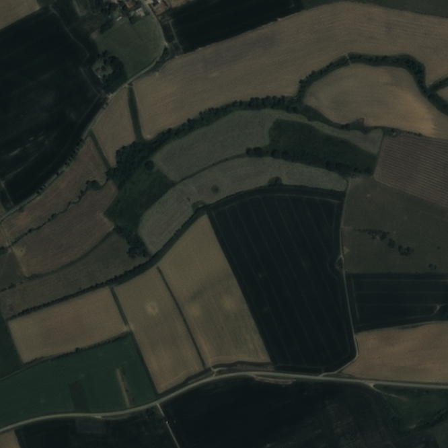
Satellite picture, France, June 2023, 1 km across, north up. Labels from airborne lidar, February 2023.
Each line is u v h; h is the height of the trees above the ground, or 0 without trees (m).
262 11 0
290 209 0
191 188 0
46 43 0
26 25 0
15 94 0
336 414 0
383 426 0
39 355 0
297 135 0
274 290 0
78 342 0
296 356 0
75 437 0
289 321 0
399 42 0
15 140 0
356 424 0
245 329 0
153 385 0
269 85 0
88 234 0
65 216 0
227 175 0
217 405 0
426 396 0
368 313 0
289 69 0
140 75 0
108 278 0
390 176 0
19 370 0
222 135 0
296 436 0
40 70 0
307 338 0
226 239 0
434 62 0
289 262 0
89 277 0
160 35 0
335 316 0
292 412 0
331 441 0
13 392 0
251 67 0
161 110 0
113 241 0
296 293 0
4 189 0
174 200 0
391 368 0
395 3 0
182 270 0
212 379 0
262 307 0
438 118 0
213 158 0
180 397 0
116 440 0
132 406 0
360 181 0
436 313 0
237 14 0
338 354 0
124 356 0
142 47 0
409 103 0
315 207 0
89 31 0
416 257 0
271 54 0
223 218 0
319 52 0
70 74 0
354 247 0
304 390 0
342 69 0
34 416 0
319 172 0
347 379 0
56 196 0
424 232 0
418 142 0
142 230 0
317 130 0
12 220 0
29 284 0
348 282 0
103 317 0
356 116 0
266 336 0
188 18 0
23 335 0
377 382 0
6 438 0
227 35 0
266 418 0
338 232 0
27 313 10
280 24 0
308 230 0
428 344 0
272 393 0
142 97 0
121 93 0
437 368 0
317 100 0
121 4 14
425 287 0
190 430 0
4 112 0
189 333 0
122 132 0
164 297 0
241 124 0
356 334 0
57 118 0
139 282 0
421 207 0
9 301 0
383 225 0
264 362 0
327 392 0
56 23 0
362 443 0
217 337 0
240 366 0
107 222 0
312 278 0
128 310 0
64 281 0
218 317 0
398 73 0
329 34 0
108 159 0
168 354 0
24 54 0
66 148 0
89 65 0
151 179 0
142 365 0
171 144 0
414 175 0
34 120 0
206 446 0
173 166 0
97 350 0
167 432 0
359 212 0
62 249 0
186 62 0
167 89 0
